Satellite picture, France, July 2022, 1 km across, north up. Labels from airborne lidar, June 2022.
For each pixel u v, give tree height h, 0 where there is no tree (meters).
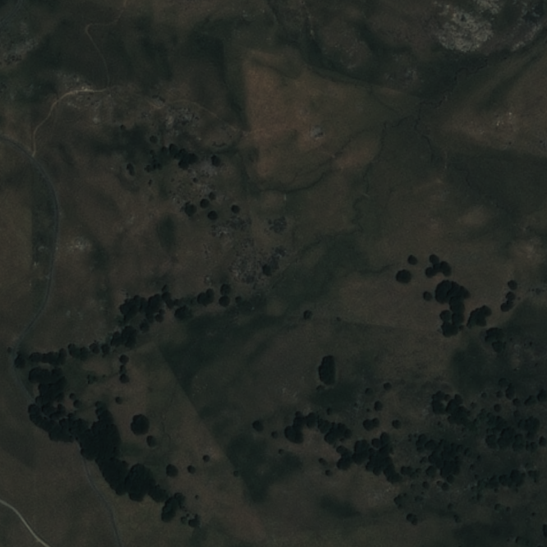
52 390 15
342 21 0
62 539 0
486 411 7
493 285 0
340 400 0
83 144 0
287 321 0
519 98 0
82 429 17
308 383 0
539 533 0
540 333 0
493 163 0
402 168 0
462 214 0
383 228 0
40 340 0
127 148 0
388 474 11
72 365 0
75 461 0
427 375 0
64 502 0
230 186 0
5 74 0
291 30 0
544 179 0
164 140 0
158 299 14
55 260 0
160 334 0
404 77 0
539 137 0
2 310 0
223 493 0
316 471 0
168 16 0
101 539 0
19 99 0
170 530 0
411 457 0
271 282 0
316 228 0
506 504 0
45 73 0
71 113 0
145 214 0
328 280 0
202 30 0
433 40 0
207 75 0
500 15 0
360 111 0
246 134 0
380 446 11
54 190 0
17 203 0
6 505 0
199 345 0
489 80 0
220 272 0
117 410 0
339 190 0
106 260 0
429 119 0
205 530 0
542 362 0
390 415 0
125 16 0
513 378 0
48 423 12
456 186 0
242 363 0
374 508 0
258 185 0
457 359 0
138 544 0
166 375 0
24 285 0
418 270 0
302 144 0
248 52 0
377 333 0
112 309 0
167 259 0
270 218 0
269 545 0
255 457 0
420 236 0
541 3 0
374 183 0
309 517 0
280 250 0
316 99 0
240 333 0
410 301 0
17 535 0
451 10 0
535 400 7
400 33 0
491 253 0
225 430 0
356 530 0
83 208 0
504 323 0
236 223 0
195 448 0
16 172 0
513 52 0
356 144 0
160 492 17
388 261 0
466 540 0
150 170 7
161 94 0
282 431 0
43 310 0
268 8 0
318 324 0
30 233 0
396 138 0
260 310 0
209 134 0
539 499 0
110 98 0
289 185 0
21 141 0
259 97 0
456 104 0
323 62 0
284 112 0
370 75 0
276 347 0
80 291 0
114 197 0
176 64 0
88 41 0
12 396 0
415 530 0
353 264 0
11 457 0
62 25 0
